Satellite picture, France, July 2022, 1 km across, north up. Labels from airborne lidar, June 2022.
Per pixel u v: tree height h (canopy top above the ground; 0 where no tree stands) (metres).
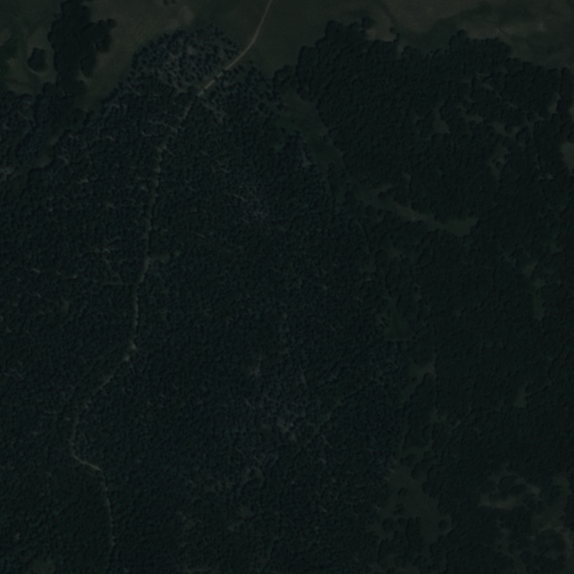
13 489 13
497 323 11
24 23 0
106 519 15
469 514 8
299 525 11
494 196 10
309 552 10
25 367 8
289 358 8
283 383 11
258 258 14
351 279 11
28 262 14
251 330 15
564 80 16
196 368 13
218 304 11
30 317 14
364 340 10
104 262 15
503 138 9
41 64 15
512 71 13
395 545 9
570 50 0
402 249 9
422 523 8
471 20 0
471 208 11
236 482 14
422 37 0
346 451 13
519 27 0
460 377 8
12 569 14
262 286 15
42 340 12
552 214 11
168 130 13
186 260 15
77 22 18
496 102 13
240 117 10
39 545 17
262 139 16
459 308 10
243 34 0
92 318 18
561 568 9
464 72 12
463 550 13
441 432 11
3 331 14
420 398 11
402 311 8
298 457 10
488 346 9
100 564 12
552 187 15
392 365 16
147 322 17
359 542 11
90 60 16
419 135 9
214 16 0
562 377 11
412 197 11
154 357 19
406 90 11
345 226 15
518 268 7
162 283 15
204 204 12
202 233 15
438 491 12
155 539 15
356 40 17
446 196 13
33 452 10
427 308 7
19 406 10
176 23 0
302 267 13
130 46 0
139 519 15
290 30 0
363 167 11
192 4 0
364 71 13
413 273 12
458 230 0
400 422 15
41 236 12
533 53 0
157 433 12
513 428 14
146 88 19
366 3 0
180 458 12
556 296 10
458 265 15
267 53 0
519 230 9
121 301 15
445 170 11
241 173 16
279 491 11
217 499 16
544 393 11
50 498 14
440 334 14
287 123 0
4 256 14
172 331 11
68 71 19
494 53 11
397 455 14
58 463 16
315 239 17
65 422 13
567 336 13
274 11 0
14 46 11
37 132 24
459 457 10
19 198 16
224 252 10
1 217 15
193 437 13
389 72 14
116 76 0
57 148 12
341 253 11
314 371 13
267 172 14
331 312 19
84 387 12
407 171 10
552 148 13
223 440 18
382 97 11
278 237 14
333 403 11
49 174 12
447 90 12
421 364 11
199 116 14
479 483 6
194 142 14
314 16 0
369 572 9
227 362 13
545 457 11
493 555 8
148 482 16
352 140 14
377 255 10
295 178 15
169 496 13
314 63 18
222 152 13
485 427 11
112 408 12
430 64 11
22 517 10
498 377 11
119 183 17
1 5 0
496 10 0
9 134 28
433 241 15
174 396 15
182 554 10
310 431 10
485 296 11
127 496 13
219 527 9
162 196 15
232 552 11
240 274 12
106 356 7
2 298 15
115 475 14
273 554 9
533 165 12
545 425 13
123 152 13
